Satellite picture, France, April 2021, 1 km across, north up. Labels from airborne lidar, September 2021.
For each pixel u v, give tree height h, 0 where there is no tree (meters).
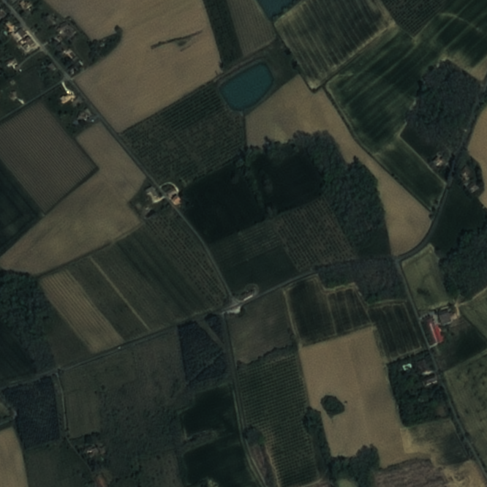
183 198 14
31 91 0
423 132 21
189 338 17
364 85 0
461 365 0
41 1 6
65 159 0
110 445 9
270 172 0
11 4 12
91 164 0
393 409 0
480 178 15
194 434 0
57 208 0
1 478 0
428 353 8
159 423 11
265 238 0
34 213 0
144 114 0
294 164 0
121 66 0
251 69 0
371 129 0
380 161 0
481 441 0
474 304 0
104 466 11
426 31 0
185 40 0
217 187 0
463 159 17
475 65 0
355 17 0
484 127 0
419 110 9
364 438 0
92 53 7
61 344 0
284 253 0
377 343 0
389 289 14
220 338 12
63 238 0
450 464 0
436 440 0
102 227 0
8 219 0
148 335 0
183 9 0
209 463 0
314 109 0
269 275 0
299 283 0
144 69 0
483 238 15
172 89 0
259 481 0
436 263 0
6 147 0
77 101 0
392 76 0
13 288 15
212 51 0
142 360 8
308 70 0
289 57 20
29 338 21
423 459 0
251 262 0
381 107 0
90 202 0
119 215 0
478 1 0
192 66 0
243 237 0
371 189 24
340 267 19
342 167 23
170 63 0
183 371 12
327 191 11
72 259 0
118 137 0
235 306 0
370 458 22
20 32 0
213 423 0
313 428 7
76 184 0
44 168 0
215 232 0
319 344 0
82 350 0
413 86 0
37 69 0
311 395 0
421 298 0
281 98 0
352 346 0
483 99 18
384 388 0
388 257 0
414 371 10
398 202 0
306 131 0
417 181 0
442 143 15
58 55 10
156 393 9
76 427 0
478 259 17
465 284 21
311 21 0
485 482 0
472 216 0
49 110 0
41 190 0
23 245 0
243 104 0
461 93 21
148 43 0
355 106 0
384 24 0
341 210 16
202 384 12
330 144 21
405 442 0
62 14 0
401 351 0
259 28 0
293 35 0
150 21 0
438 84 24
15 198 0
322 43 0
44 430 12
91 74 0
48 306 19
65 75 0
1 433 0
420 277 0
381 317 0
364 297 12
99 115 0
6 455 0
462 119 22
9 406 11
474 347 0
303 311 0
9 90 0
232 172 0
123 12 0
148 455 14
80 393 0
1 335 0
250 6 0
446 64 11
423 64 0
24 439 13
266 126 0
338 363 0
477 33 0
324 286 11
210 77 0
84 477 5
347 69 0
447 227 0
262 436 17
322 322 0
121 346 0
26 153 0
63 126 0
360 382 0
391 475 0
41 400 10
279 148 25
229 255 0
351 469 22
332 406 9
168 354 6
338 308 0
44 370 16
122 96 0
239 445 0
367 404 0
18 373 0
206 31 0
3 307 24
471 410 0
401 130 0
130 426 9
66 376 0
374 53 0
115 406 9
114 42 8
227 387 0
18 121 0
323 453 13
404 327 0
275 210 17
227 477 0
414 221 0
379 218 18
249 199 0
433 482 0
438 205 11
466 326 0
